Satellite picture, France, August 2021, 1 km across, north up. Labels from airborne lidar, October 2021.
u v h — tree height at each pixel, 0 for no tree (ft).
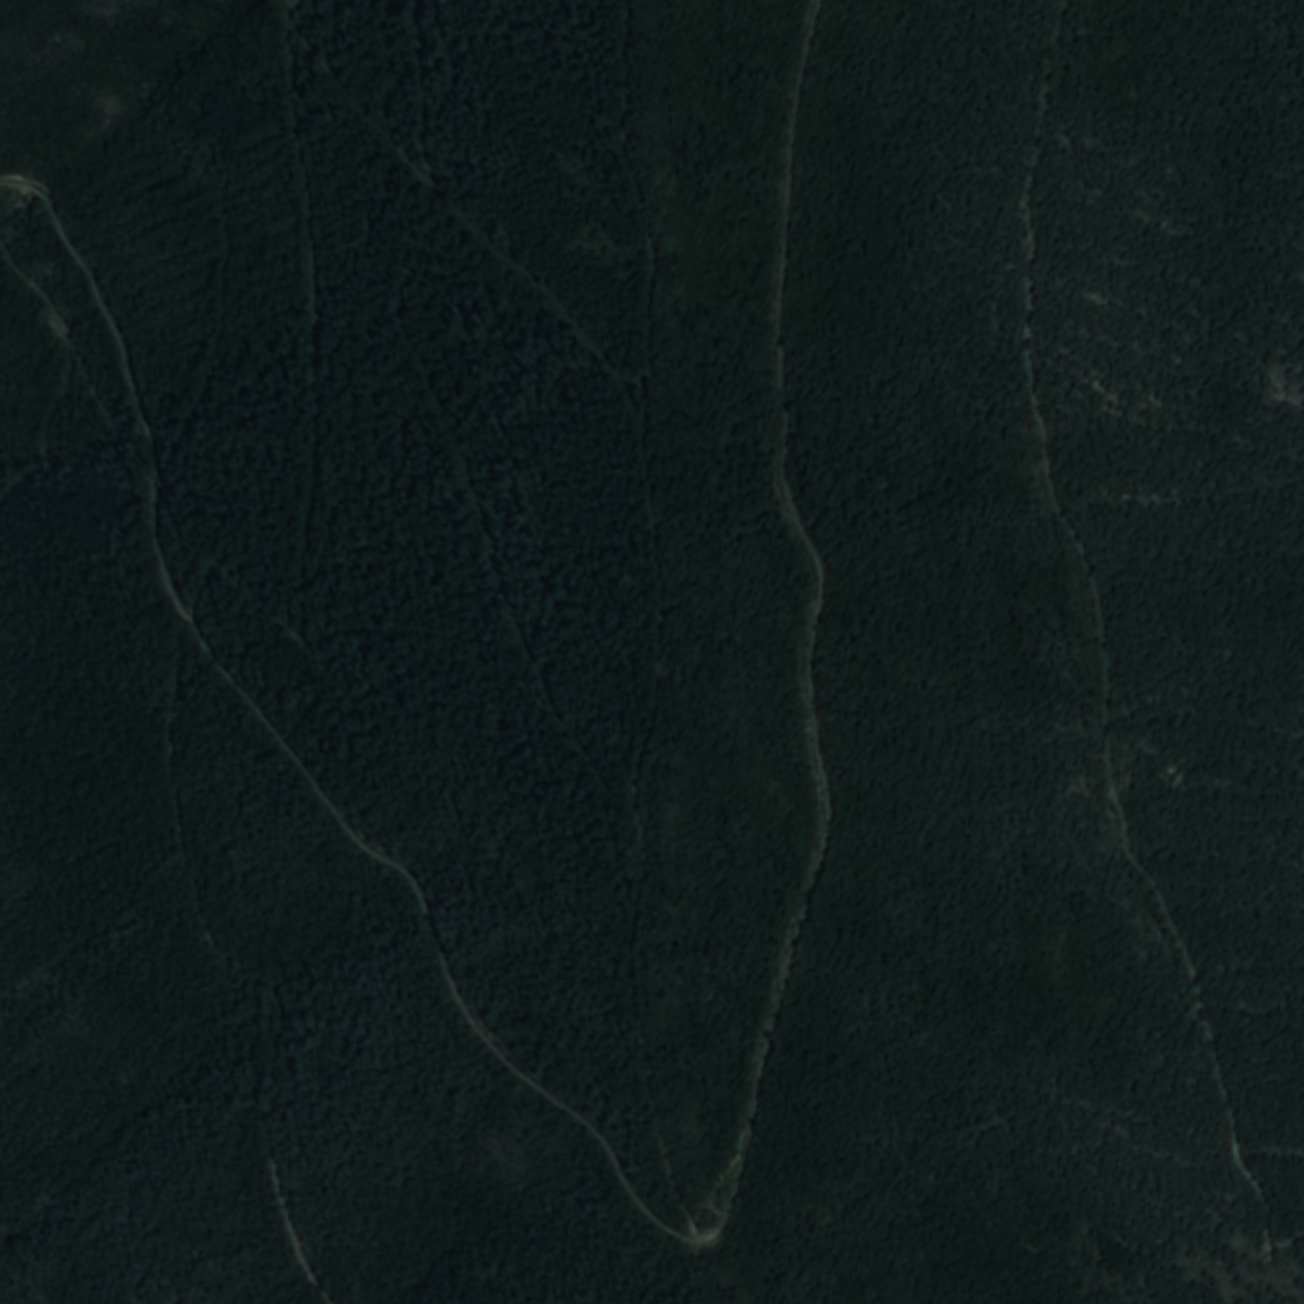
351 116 21
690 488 59
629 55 42
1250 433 41
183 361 20
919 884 38
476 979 42
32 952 22
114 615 40
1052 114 38
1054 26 37
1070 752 35
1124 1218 37
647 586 39
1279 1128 47
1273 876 37
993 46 52
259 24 28
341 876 52
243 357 37
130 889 34
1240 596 39
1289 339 36
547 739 60
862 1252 39
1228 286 49
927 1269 28
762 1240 39
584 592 43
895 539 56
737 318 37
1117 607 32
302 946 32
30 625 27
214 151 25
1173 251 39
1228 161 39
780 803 18
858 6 34
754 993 25
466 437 36
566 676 68
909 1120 48
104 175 18
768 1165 53
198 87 40
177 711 33
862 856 27
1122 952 24
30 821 36
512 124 45
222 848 27
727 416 64
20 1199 36
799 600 61
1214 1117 34
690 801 25
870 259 66
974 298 46
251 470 47
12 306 29
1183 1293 35
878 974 43
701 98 23
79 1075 21
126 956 35
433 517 64
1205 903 34
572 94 43
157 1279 25
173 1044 35
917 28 42
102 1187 29
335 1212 28
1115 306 24
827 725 43
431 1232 28
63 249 34
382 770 57
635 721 55
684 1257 31
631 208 28
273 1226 25
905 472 56
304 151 24
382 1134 40
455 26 66
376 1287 28
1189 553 32
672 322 27
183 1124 34
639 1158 41
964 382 43
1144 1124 28
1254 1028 35
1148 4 43
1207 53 43
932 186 46
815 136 32
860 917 22
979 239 47
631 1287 30
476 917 40
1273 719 23
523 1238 26
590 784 69
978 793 41
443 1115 29
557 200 29
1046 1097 37
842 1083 56
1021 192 31
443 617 62
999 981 33
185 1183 27
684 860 31
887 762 41
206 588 43
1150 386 39
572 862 50
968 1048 44
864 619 32
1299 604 54
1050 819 27
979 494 52
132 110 30
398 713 68
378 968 39
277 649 52
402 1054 39
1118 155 31
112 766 43
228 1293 25
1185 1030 26
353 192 45
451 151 58
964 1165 41
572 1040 38
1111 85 21
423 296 61
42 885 26
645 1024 25
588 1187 28
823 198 36
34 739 30
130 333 18
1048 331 32
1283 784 45
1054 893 30
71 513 36
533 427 46
